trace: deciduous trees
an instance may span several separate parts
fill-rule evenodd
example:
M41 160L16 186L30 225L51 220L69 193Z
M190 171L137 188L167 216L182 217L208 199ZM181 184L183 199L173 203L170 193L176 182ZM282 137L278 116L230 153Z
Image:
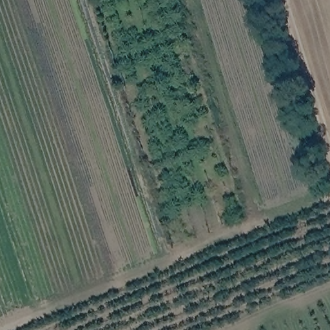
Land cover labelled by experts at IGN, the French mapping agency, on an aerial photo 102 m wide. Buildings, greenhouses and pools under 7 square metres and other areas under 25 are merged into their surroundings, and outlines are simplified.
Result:
M238 205L235 196L232 196L223 199L224 210L220 218L228 227L241 224L246 218L245 209Z
M143 317L151 317L156 312L166 311L169 309L168 304L162 303L160 306L147 308L138 317L113 322L99 330L119 330L135 321L141 321Z
M191 138L183 128L184 122L197 124L199 117L211 111L210 104L202 104L201 94L197 90L199 77L183 75L179 54L175 53L174 45L183 45L186 41L187 17L192 15L186 6L186 0L146 0L139 5L139 9L147 8L152 3L157 12L150 12L148 15L161 28L147 28L139 32L137 26L124 26L119 10L111 15L102 13L104 6L120 4L124 0L89 0L97 15L103 39L110 37L110 40L115 39L117 44L116 58L111 62L113 88L119 89L120 85L126 84L138 88L135 103L131 107L143 113L142 125L148 137L148 151L144 153L152 160L156 170L161 171L159 180L162 191L160 204L157 205L157 217L161 223L169 222L169 218L180 218L182 206L192 206L192 201L201 206L206 205L206 201L209 200L201 182L191 183L187 179L188 175L195 171L195 166L200 166L201 162L211 157L209 146L214 139Z
M249 36L262 48L263 70L266 73L266 80L272 85L269 98L275 99L278 104L277 120L280 121L282 129L299 141L299 146L291 155L291 173L294 178L306 184L309 192L318 202L296 213L280 215L264 222L262 227L253 228L247 233L226 240L215 241L214 244L187 258L178 259L168 268L153 268L153 271L157 275L165 275L171 269L201 257L206 251L236 242L238 247L229 250L228 254L211 257L170 276L170 282L173 284L175 278L191 276L192 273L208 267L210 263L233 259L233 263L226 267L215 269L177 286L177 290L180 290L211 278L218 284L224 284L247 275L247 272L257 272L263 267L271 266L287 254L295 254L296 251L315 245L329 245L329 250L316 250L315 253L296 262L287 263L275 271L251 277L229 289L219 290L214 296L201 299L200 302L189 303L184 307L184 312L191 313L214 300L226 300L235 291L244 290L245 295L236 296L232 304L215 306L201 312L200 315L180 321L179 324L162 327L161 330L211 330L211 327L231 324L240 317L236 311L206 321L206 317L213 313L245 303L246 312L250 315L255 307L271 303L267 293L271 291L271 287L255 289L255 285L289 271L291 267L296 269L295 275L281 278L275 284L276 289L280 290L281 298L304 293L312 286L330 281L330 224L308 229L304 240L300 241L298 238L287 240L286 235L296 231L298 220L306 217L306 214L317 208L326 209L330 206L330 147L321 135L315 133L320 124L316 119L315 97L307 92L306 82L296 71L299 64L290 57L287 49L287 41L293 36L287 28L285 0L238 0L246 9L244 19L249 28Z
M160 282L153 282L143 289L111 300L108 307L116 306L122 300L133 296L143 298L148 291L160 289Z
M71 311L107 298L119 289L113 287L106 293L92 295L82 302L34 318L27 324L15 327L14 330L27 330L30 327L48 325L53 321L59 322L59 327L71 326L76 321L94 315L94 311L92 309L81 315L72 316Z

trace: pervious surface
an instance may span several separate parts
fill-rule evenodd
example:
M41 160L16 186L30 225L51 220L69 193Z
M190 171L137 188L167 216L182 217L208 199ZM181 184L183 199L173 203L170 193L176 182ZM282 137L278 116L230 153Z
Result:
M196 240L196 244L191 247L182 244L169 245L164 249L165 257L128 271L122 268L128 264L122 258L122 250L116 250L110 254L112 267L115 268L112 281L80 291L68 298L41 300L39 306L31 308L26 316L0 325L0 330L14 330L15 327L27 324L34 318L82 302L92 295L106 293L113 287L119 289L126 282L153 271L153 268L168 268L178 259L187 258L214 244L215 241L226 240L247 233L253 228L262 227L264 222L260 218L246 218L241 224L228 227L220 218L215 235L210 235L202 241Z
M290 57L299 64L296 71L306 82L307 92L315 97L316 119L320 124L315 133L321 135L330 147L330 116L324 98L321 97L326 93L325 82L321 76L316 75L306 35L300 26L304 19L303 10L296 14L295 5L291 5L291 1L294 0L285 0L287 28L293 36L287 41L287 49Z

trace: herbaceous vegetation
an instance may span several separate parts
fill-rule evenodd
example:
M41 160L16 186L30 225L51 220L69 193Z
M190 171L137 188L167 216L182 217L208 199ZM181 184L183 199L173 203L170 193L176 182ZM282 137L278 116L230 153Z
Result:
M137 26L139 32L147 28L161 28L148 15L150 12L157 12L152 3L147 8L139 9L139 5L146 0L124 0L120 4L104 6L102 13L111 15L119 10L124 26Z
M169 245L182 244L191 247L196 244L196 240L202 241L210 235L215 235L220 218L224 210L223 199L232 196L235 196L238 205L245 209L246 218L260 218L264 222L280 215L296 213L318 202L309 192L306 196L295 197L290 202L271 209L267 208L266 202L263 201L215 54L201 0L186 0L186 6L192 15L187 17L186 41L183 45L174 45L175 53L179 54L183 75L199 77L197 90L201 94L202 104L210 104L211 111L199 117L197 124L184 122L183 128L191 138L214 139L209 146L211 157L201 162L200 166L195 166L195 171L188 175L187 179L191 183L201 182L209 200L206 201L206 205L201 206L192 201L192 206L182 206L180 218L169 218L169 222L161 223Z
M326 209L317 208L306 214L306 217L298 220L296 231L286 235L287 240L298 238L300 241L304 240L308 229L330 224L330 206Z
M295 275L296 269L291 267L289 271L255 285L255 289L271 287L271 291L267 293L271 303L255 307L250 315L246 312L245 303L213 313L206 317L206 321L236 311L240 317L231 324L211 327L211 330L257 330L269 313L281 312L284 307L311 307L330 291L330 281L312 286L304 293L281 298L280 290L276 289L275 284L281 278Z
M168 304L169 309L166 311L156 312L151 317L143 317L141 321L135 321L119 330L161 330L162 327L179 324L180 321L200 315L201 312L215 306L232 304L236 296L245 295L244 290L235 291L226 300L214 300L191 313L184 312L184 307L189 303L200 302L201 299L214 296L219 290L229 289L251 277L275 271L287 263L296 262L315 253L316 250L329 250L329 245L315 245L296 251L295 254L287 254L271 266L263 267L257 272L247 272L247 275L224 284L218 284L211 278L180 290L177 290L177 286L215 269L226 267L233 263L233 259L210 263L208 267L192 273L191 276L175 278L173 284L170 282L170 276L211 257L228 254L229 250L238 247L236 242L206 251L201 257L171 269L165 275L157 275L153 271L126 282L119 289L107 298L71 311L72 316L81 315L92 309L94 311L94 315L76 321L71 326L59 327L59 322L53 321L48 325L30 327L27 330L99 330L113 322L138 317L147 308L160 306L162 303ZM133 296L122 300L116 306L108 307L111 300L143 289L153 282L160 282L160 289L148 291L143 298Z

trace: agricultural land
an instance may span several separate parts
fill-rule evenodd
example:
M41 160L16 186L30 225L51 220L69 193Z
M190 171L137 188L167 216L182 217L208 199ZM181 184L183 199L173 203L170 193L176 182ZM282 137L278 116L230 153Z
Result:
M116 250L122 250L122 258L128 264L122 268L128 271L165 257L164 249L169 245L161 223L157 217L157 205L160 204L162 191L159 180L161 171L156 170L152 160L144 153L148 151L148 137L142 125L143 113L131 107L135 103L138 88L126 84L120 85L119 89L113 88L111 62L116 58L117 44L115 39L110 40L110 37L103 39L97 15L89 0L0 0L0 325L26 316L31 308L39 306L41 300L68 298L80 291L112 281L115 268L112 267L110 254Z
M296 14L303 10L304 19L300 26L306 35L316 75L321 76L325 82L326 93L321 97L324 98L330 116L330 0L294 0L291 1L291 5L295 5Z
M246 9L238 0L201 0L215 54L263 201L266 202L267 208L271 209L290 202L295 197L306 196L309 192L306 184L294 178L291 173L291 155L299 146L299 141L282 129L280 121L277 120L278 104L275 99L269 98L272 85L266 80L266 73L263 70L262 48L249 36L249 28L244 19Z
M281 312L269 313L257 330L330 330L330 291L311 307L284 307Z

